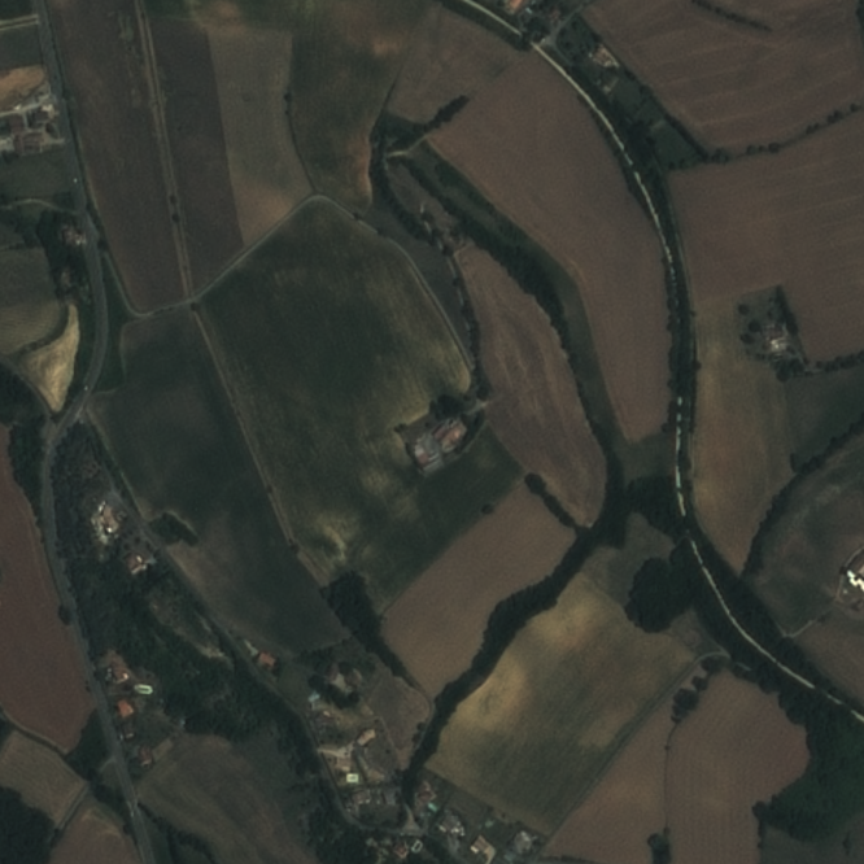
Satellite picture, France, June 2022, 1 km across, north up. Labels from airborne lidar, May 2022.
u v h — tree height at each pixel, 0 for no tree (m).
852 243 0
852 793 6
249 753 0
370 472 0
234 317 0
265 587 0
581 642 0
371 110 0
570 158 0
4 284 0
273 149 0
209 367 0
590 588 0
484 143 0
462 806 0
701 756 0
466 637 0
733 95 0
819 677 11
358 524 0
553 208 0
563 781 0
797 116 0
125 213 0
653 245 0
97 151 0
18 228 11
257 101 0
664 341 0
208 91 0
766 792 0
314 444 0
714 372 0
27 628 0
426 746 13
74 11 0
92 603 13
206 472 0
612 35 0
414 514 0
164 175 0
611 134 8
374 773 0
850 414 0
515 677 0
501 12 6
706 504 0
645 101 6
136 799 0
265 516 0
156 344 0
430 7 0
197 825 0
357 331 0
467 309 9
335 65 0
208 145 0
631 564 0
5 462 0
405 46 0
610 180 0
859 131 0
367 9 0
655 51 0
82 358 9
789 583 0
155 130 0
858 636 0
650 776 0
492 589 0
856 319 0
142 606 12
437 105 0
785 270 0
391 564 0
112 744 0
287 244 0
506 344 0
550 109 0
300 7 0
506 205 0
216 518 0
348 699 8
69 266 12
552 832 0
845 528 0
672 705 0
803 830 16
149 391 0
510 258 13
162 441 0
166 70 0
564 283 0
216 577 0
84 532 12
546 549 0
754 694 0
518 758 0
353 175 0
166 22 0
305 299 0
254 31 0
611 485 12
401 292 0
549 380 0
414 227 9
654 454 0
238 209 0
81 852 0
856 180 0
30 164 0
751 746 0
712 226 0
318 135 0
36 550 0
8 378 13
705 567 9
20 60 0
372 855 12
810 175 0
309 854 0
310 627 0
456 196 0
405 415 0
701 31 0
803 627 0
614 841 0
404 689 0
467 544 0
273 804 0
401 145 8
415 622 0
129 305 0
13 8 0
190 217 0
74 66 0
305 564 0
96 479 11
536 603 15
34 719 0
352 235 0
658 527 10
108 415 0
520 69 0
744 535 0
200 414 0
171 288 0
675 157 0
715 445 0
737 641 9
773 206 0
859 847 0
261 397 0
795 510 0
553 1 11
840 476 0
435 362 0
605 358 0
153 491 0
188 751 0
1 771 0
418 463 7
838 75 0
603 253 0
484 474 0
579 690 0
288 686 0
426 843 13
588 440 0
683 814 0
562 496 0
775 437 0
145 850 0
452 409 18
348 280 0
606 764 0
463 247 0
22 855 18
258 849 0
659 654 0
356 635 12
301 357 0
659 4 0
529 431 0
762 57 0
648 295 0
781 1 0
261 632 0
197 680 9
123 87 0
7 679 0
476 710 0
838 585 0
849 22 0
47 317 0
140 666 6
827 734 16
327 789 9
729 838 0
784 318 9
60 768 0
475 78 0
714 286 0
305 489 0
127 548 9
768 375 0
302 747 12
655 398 0
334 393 0
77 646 0
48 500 0
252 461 0
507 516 0
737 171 0
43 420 10
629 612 13
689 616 0
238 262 0
